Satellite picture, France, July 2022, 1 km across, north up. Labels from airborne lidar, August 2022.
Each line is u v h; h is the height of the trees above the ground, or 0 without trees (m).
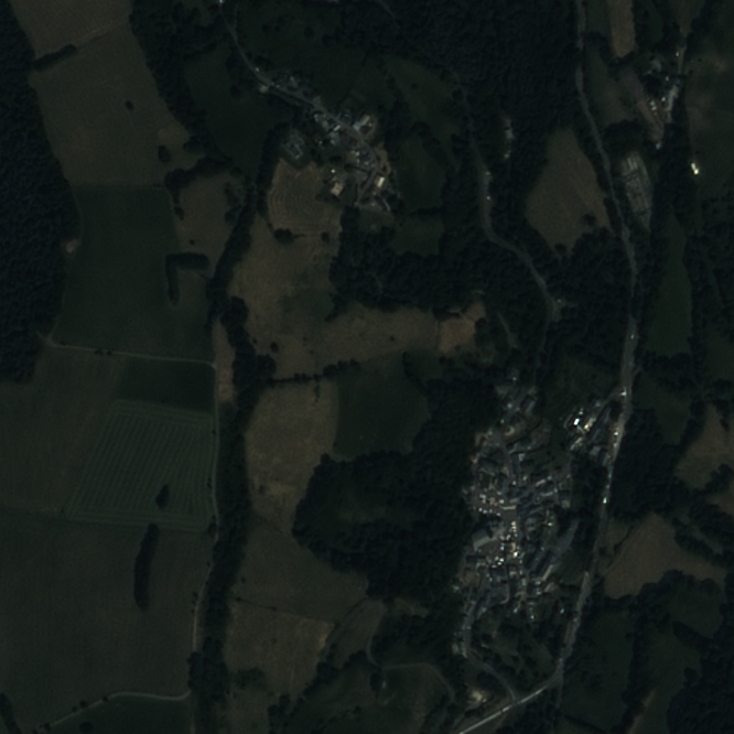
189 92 23
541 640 11
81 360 0
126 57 0
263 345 0
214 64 0
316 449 0
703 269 17
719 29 0
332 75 0
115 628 0
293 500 0
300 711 9
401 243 0
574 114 20
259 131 0
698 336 17
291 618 0
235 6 7
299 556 0
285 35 0
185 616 0
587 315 20
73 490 0
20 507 0
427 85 0
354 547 12
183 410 0
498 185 14
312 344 0
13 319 27
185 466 0
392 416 0
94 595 0
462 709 6
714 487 15
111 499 0
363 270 14
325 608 0
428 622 15
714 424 0
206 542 0
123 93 0
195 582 0
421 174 0
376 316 0
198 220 0
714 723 20
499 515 0
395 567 11
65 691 0
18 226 27
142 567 18
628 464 10
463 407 20
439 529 19
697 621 0
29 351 16
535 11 32
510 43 27
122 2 0
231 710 0
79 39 0
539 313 13
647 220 0
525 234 19
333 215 0
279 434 0
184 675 0
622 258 18
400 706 0
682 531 15
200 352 0
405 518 0
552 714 8
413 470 8
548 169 0
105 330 0
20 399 0
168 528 0
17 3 0
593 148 20
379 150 0
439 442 22
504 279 17
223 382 0
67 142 0
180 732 0
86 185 0
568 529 9
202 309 0
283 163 0
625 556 0
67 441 0
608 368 17
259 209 19
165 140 0
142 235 0
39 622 0
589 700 0
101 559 0
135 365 0
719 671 26
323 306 0
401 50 10
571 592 11
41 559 0
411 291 18
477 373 9
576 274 7
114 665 0
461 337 0
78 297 0
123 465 0
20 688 0
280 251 0
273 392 0
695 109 0
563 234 0
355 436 0
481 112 18
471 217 19
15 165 25
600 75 0
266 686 0
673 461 16
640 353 15
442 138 0
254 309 0
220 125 0
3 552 0
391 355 0
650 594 23
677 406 0
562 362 15
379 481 20
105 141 0
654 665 0
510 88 32
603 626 0
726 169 0
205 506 0
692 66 0
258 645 0
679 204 20
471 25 26
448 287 6
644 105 0
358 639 0
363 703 0
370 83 0
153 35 25
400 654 0
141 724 0
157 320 0
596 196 0
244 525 15
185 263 18
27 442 0
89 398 0
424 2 26
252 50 0
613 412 18
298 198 0
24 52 15
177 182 21
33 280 25
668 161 22
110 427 0
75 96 0
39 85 0
